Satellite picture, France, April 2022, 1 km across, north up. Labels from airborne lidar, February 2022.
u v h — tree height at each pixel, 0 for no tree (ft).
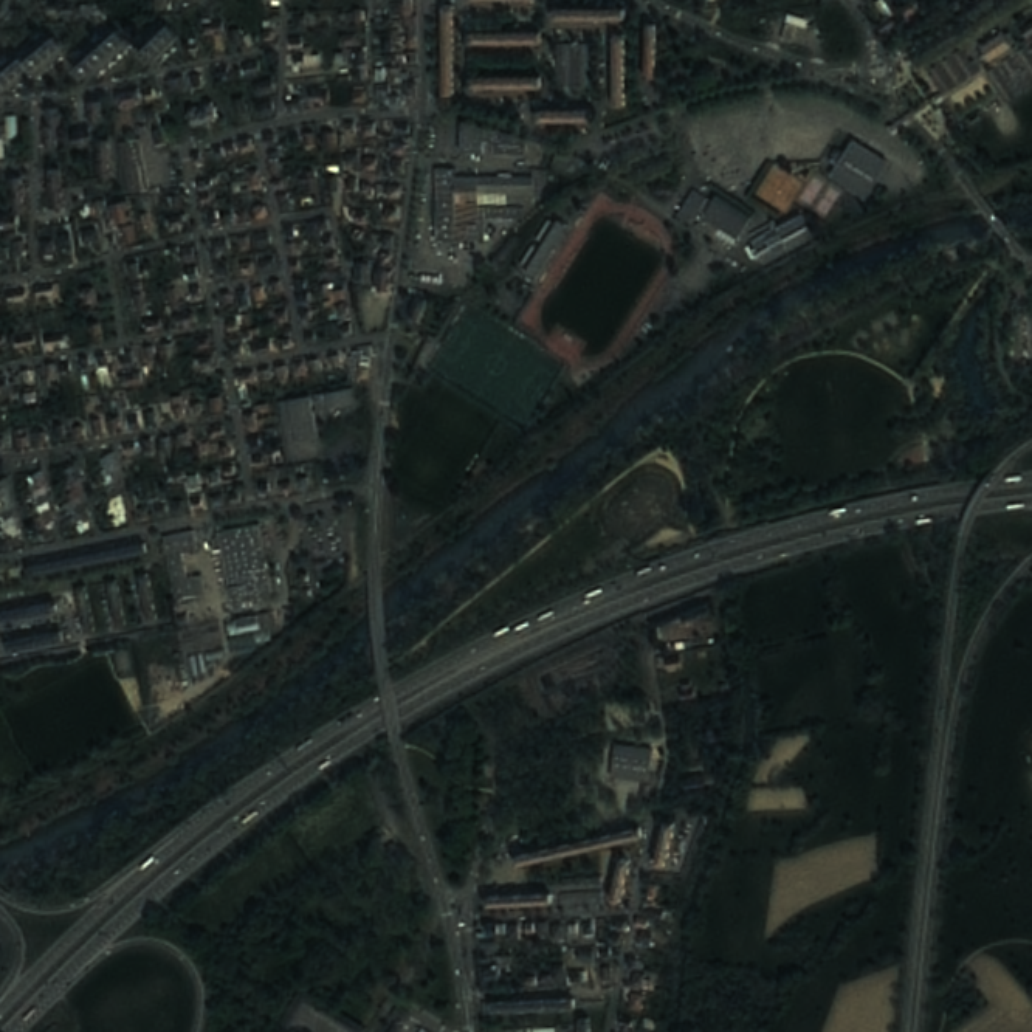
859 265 86
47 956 0
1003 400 52
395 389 23
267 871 0
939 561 37
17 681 0
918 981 0
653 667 0
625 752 0
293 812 52
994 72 0
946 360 61
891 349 0
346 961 76
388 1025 22
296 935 74
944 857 26
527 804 73
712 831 33
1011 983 0
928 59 61
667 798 49
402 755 0
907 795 0
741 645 47
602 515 0
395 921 81
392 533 0
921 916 0
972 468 77
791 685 0
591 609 0
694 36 22
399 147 0
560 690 0
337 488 0
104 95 38
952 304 0
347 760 0
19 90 37
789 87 33
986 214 0
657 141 48
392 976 61
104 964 0
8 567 0
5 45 34
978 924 0
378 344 0
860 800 0
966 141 37
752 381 34
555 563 0
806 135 0
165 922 37
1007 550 0
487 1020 30
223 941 24
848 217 25
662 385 0
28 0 0
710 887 24
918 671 0
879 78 0
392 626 0
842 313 58
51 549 0
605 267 0
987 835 33
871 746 0
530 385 0
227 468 0
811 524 0
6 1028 0
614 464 35
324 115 0
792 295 0
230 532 0
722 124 0
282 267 0
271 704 0
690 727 39
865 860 0
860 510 0
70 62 44
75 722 0
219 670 0
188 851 0
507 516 0
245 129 0
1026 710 0
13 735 0
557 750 85
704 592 0
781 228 0
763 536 0
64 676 0
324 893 86
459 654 0
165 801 36
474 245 0
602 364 0
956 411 55
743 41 0
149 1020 0
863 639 35
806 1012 0
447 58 0
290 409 0
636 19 31
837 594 33
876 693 23
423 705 0
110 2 19
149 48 0
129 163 0
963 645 0
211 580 0
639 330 0
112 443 0
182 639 0
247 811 0
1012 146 0
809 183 0
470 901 0
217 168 0
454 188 0
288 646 41
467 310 0
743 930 0
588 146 0
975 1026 0
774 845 0
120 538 0
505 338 0
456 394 0
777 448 30
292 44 0
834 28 0
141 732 0
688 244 33
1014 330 40
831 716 0
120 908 0
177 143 0
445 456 0
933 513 0
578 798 66
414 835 0
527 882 0
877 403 0
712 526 37
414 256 0
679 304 0
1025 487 0
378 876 83
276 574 0
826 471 0
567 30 0
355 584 0
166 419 21
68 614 0
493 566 53
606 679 36
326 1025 0
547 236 0
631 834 0
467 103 50
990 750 0
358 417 39
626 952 0
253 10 0
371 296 0
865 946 0
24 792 19
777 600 0
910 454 0
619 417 0
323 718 36
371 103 0
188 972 0
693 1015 30
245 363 0
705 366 0
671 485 0
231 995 32
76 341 0
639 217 0
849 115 0
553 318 0
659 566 0
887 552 0
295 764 0
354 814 0
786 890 0
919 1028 0
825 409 0
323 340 24
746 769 29
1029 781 0
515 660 0
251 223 0
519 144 0
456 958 0
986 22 54
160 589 0
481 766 29
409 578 0
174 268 0
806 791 0
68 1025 0
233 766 47
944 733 0
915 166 0
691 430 45
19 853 0
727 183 0
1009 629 0
